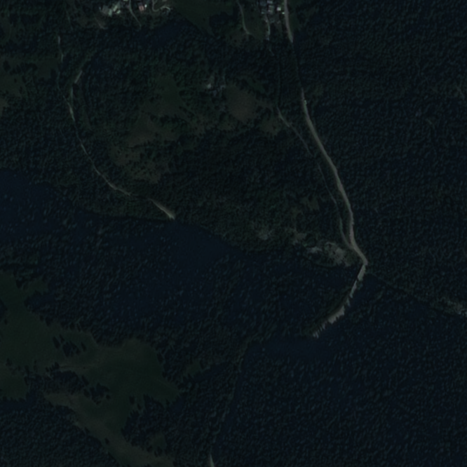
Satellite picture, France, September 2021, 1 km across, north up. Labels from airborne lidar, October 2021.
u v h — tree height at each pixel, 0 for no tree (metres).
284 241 10
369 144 19
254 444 27
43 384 14
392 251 15
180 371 16
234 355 19
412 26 11
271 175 21
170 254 14
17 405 0
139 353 0
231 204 14
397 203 17
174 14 10
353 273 8
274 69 24
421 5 22
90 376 0
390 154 24
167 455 13
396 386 28
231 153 13
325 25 14
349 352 23
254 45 10
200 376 0
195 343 21
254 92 9
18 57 13
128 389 0
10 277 7
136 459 0
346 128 23
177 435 17
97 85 17
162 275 22
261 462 17
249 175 24
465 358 18
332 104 20
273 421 24
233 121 10
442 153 17
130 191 13
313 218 20
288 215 7
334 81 23
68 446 13
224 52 24
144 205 19
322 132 14
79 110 15
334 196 11
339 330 14
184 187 15
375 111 21
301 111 13
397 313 22
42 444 18
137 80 16
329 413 25
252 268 23
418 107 12
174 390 0
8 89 0
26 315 0
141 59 9
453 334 11
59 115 22
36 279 19
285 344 7
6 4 17
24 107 20
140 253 6
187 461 18
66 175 25
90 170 29
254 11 9
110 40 19
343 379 17
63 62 0
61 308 18
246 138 11
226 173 17
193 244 10
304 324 25
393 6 26
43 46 18
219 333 21
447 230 21
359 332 14
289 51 16
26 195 29
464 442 24
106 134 8
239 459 17
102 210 22
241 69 17
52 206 22
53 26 16
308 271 13
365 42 27
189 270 22
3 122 19
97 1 11
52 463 19
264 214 11
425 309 8
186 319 27
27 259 25
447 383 11
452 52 26
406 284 13
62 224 24
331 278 7
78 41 13
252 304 10
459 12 19
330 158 12
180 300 16
